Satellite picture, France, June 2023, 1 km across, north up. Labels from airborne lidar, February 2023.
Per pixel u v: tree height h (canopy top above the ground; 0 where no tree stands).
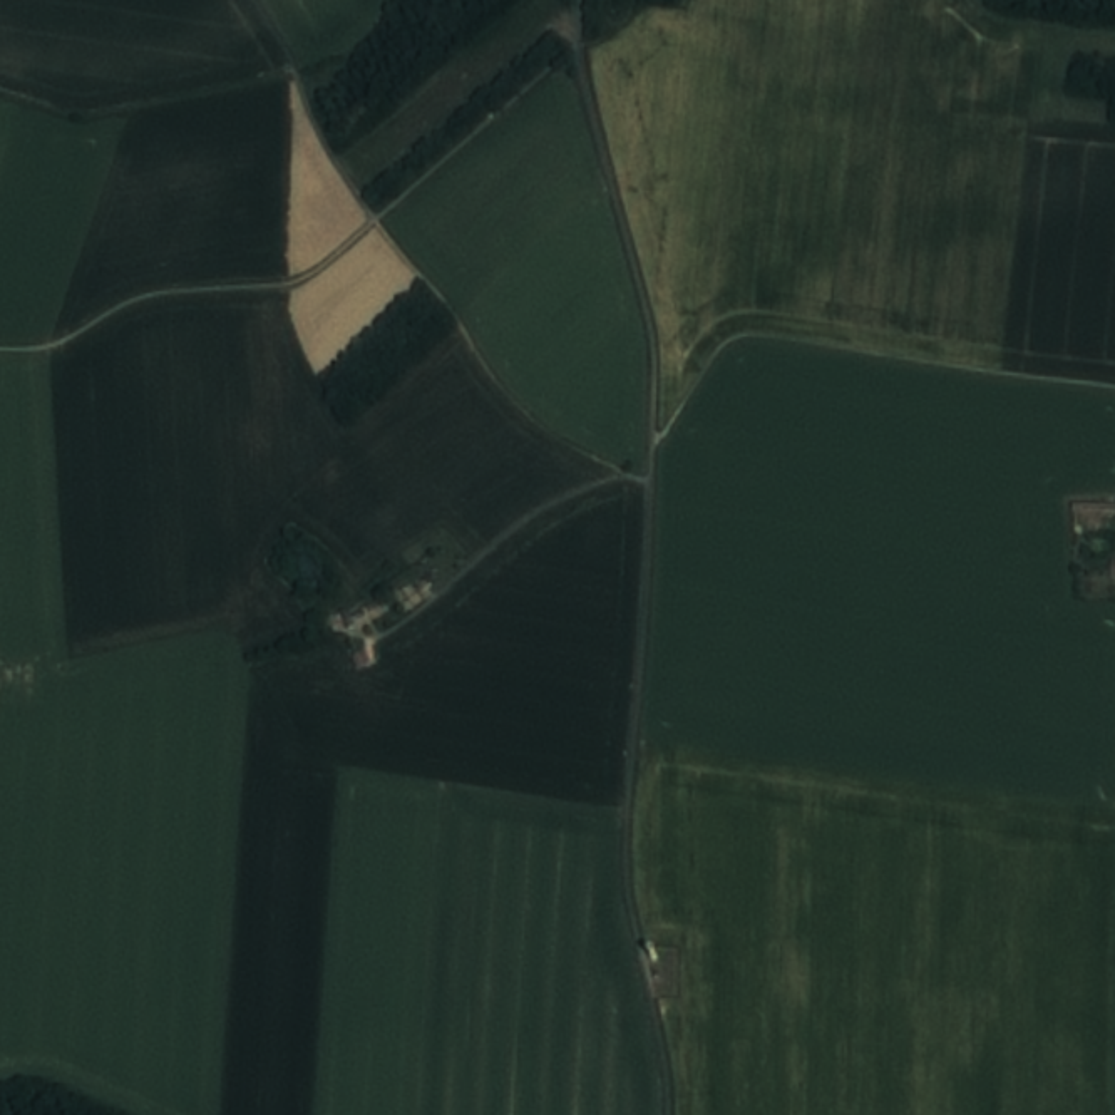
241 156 0
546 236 0
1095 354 0
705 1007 0
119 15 0
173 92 0
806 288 0
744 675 0
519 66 9
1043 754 0
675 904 0
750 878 0
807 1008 0
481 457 0
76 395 0
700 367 0
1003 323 0
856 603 0
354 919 0
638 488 0
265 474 0
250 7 0
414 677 0
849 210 0
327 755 0
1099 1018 0
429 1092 0
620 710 0
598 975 0
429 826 0
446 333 16
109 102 0
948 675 0
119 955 0
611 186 0
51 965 0
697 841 0
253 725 0
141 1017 0
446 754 0
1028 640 0
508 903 0
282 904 0
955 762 0
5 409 0
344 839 0
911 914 0
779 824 0
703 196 0
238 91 0
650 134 0
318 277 0
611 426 0
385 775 0
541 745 0
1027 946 0
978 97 0
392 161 0
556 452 0
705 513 0
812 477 0
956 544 0
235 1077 0
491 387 0
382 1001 0
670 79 0
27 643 0
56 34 0
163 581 0
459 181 0
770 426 0
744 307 0
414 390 0
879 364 0
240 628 0
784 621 0
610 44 0
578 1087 0
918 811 0
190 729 0
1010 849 0
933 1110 0
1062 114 0
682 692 0
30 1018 0
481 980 0
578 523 0
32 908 0
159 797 0
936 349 0
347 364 18
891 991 0
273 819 0
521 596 0
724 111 0
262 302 0
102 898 0
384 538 0
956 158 0
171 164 0
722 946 0
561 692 0
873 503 0
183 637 0
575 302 0
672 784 0
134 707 0
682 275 0
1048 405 0
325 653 0
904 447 0
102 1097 0
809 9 0
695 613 0
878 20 0
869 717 0
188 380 0
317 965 0
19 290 0
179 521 0
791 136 0
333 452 0
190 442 0
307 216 0
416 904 0
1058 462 0
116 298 0
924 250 0
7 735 0
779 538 0
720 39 0
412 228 0
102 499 0
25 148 0
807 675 0
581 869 0
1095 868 0
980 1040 0
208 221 0
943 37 0
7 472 0
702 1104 0
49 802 0
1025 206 0
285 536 12
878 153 0
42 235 0
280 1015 0
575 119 0
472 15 20
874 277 0
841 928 0
